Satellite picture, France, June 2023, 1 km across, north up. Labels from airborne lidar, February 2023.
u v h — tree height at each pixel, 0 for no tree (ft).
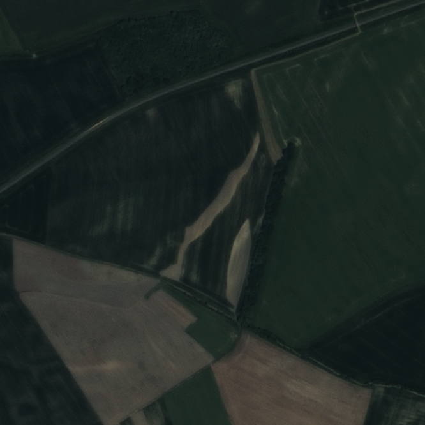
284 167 58
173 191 0
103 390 0
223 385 0
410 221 0
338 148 0
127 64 19
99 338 0
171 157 0
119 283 0
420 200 0
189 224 0
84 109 0
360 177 0
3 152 0
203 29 20
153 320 0
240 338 0
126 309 0
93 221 0
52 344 0
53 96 0
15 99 0
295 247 0
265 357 0
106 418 0
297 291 0
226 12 0
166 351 0
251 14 0
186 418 0
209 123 0
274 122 0
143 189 0
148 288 0
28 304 0
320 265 0
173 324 0
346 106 0
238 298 0
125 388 0
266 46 0
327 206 0
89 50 0
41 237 0
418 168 0
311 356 0
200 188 0
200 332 0
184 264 0
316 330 0
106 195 0
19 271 0
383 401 0
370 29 0
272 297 0
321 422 0
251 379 0
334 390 0
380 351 0
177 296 0
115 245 0
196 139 0
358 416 0
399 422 0
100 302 0
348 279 0
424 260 0
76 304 0
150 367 0
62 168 0
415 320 0
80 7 0
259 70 0
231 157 0
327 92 0
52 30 0
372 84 0
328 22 0
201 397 0
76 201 0
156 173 0
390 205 0
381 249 0
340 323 0
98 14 0
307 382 0
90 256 0
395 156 0
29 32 0
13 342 0
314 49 0
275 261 0
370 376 0
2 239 0
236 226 0
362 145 0
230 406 0
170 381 0
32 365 0
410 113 0
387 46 0
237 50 0
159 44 20
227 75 0
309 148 0
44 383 0
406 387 28
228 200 0
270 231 42
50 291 0
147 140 0
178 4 0
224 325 0
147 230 0
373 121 0
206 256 0
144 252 0
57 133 0
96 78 0
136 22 41
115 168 0
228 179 0
